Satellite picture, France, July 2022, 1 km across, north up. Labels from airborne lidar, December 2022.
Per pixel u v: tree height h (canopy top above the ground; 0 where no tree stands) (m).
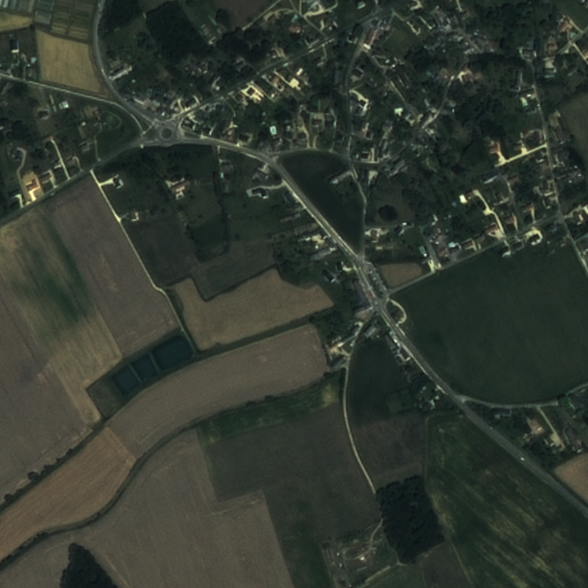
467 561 0
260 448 0
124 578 0
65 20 0
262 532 0
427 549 18
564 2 0
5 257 0
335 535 0
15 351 0
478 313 0
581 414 13
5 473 0
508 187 0
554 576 0
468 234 0
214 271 0
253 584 0
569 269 0
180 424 0
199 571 0
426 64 15
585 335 0
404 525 21
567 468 0
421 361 0
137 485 0
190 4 11
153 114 0
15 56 0
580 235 13
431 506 16
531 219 12
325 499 0
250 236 0
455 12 7
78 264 0
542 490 0
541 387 0
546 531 0
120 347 0
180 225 0
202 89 10
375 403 0
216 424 0
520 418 7
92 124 0
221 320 0
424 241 0
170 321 0
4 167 0
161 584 0
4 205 13
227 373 0
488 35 0
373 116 0
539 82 12
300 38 12
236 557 0
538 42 14
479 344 0
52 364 0
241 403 0
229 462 0
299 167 0
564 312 0
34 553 0
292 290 0
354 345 0
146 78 0
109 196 0
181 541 0
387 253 0
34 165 0
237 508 0
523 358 0
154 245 0
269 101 7
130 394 0
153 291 0
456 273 0
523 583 0
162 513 0
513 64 10
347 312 0
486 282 0
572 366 0
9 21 0
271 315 0
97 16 0
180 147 14
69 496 0
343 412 0
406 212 0
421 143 0
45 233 0
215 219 0
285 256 10
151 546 0
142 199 0
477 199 0
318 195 0
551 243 0
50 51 0
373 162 0
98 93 0
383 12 0
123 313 0
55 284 0
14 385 0
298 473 0
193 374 0
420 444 0
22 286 0
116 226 0
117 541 0
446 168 26
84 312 0
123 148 0
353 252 0
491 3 0
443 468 0
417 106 11
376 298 0
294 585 0
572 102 0
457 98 19
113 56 10
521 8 15
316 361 0
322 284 0
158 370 0
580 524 0
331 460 0
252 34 22
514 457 0
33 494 0
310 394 0
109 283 0
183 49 16
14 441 0
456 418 0
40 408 0
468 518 0
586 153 0
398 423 0
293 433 0
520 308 0
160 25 15
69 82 0
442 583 0
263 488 0
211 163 0
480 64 18
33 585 0
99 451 0
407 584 0
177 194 0
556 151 9
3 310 0
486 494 0
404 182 15
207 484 0
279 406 0
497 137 16
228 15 13
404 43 0
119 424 0
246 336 0
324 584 0
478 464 0
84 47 0
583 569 0
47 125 0
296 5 0
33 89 0
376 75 0
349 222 0
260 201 0
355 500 0
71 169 10
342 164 0
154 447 0
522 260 0
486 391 0
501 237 0
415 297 0
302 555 0
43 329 0
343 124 6
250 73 8
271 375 0
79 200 0
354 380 0
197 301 0
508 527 0
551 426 0
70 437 0
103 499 0
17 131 19
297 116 0
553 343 0
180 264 0
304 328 0
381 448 0
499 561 0
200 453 0
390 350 0
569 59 8
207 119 7
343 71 14
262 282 0
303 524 0
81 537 0
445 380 0
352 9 0
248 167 0
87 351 0
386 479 0
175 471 0
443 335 0
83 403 0
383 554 0
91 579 14
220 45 14
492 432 0
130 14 12
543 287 0
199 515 0
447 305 0
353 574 0
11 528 0
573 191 9
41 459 0
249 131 0
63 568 0
